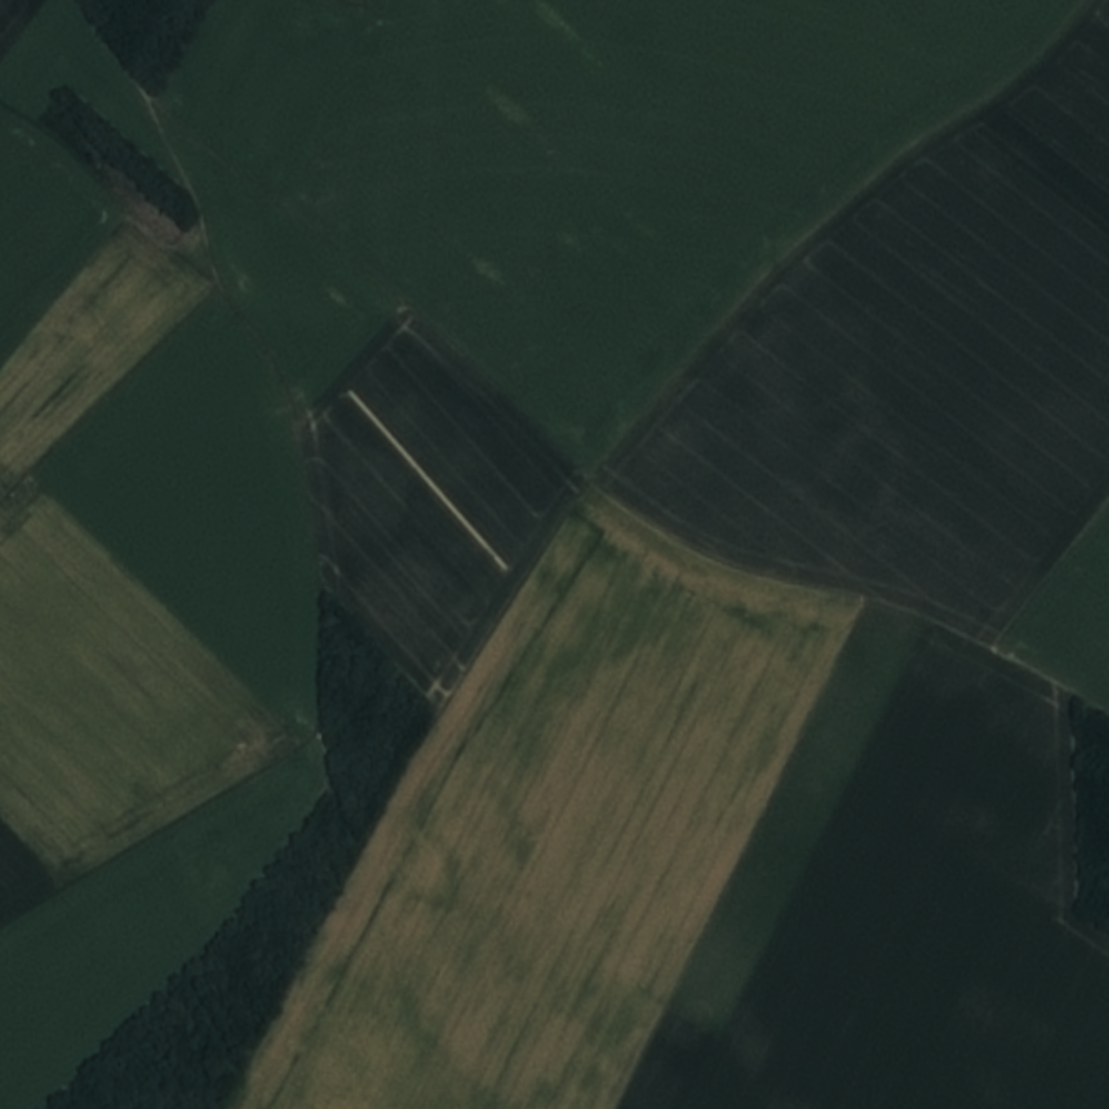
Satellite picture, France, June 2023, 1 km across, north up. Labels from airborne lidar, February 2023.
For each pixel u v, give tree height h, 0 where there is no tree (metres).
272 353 0
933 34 0
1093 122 0
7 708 0
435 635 0
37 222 0
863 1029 0
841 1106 0
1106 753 12
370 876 0
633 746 0
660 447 0
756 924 0
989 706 0
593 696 0
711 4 0
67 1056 0
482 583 0
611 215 0
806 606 0
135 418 0
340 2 0
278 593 0
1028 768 0
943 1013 0
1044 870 0
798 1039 0
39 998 0
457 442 0
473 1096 0
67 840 0
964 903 0
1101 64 0
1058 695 0
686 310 0
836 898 0
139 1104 20
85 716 0
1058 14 0
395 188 0
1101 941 0
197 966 17
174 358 0
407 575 0
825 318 0
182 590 0
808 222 0
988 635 0
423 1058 0
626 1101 0
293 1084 0
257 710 0
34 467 0
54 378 0
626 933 0
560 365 0
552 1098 0
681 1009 0
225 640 0
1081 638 0
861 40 0
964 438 0
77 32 0
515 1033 0
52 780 0
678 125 0
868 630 0
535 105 0
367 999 0
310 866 18
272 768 0
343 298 0
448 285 0
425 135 0
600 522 0
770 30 0
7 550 0
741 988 0
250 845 0
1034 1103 0
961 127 0
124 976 0
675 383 0
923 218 0
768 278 0
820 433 0
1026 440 0
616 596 0
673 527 0
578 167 0
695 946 0
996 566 0
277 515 0
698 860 0
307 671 0
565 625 0
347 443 0
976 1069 0
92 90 0
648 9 0
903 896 0
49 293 0
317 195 0
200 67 0
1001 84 0
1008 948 0
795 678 0
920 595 0
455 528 0
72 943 0
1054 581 0
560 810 0
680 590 0
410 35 0
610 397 0
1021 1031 0
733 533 0
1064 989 0
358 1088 0
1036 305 0
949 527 0
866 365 0
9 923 0
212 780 0
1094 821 12
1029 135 0
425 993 0
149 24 14
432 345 0
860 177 0
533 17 0
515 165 0
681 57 0
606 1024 0
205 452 0
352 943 0
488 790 0
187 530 0
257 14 0
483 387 0
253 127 0
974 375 0
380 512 0
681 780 0
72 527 0
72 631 0
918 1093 0
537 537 0
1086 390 0
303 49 0
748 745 0
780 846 0
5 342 0
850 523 0
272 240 0
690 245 0
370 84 0
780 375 0
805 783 0
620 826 0
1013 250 0
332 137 0
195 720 0
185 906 0
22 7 0
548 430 0
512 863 0
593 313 0
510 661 0
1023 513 0
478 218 0
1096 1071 0
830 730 0
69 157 0
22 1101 0
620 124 0
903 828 0
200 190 0
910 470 0
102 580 0
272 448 0
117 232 0
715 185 0
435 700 0
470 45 0
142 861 0
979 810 0
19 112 0
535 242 0
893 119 0
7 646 0
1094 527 0
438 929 0
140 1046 20
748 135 0
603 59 0
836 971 0
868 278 0
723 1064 0
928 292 0
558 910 0
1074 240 0
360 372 0
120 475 0
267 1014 14
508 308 0
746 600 0
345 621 15
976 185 0
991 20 0
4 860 0
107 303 0
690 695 0
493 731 0
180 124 0
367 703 14
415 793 0
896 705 0
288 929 18
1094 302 0
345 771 18
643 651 0
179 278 0
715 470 0
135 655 0
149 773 0
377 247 0
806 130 0
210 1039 20
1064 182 0
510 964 0
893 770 0
